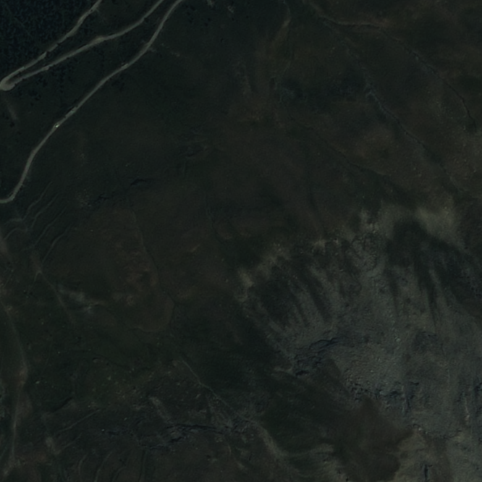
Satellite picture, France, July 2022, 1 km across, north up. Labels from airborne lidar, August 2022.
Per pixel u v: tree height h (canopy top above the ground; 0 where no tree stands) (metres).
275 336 0
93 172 0
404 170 0
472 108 0
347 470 0
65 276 0
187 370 0
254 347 0
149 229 0
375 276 0
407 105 0
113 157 0
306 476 0
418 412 0
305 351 0
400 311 0
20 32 24
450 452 0
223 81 0
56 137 0
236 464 0
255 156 0
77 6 9
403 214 0
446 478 0
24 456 0
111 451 0
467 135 0
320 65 0
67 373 0
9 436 0
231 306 0
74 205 0
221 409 0
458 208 0
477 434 0
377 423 0
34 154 0
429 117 0
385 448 0
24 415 0
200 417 0
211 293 0
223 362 0
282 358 0
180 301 0
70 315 0
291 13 0
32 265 0
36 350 0
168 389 0
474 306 0
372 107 0
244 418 0
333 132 0
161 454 0
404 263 0
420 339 0
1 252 0
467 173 0
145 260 0
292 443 0
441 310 0
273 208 0
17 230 0
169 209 0
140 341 0
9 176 0
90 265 0
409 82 0
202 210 0
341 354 0
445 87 0
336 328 0
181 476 0
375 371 0
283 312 0
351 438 0
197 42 0
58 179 0
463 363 0
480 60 0
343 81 0
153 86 0
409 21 0
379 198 0
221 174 0
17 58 10
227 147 0
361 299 0
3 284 0
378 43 0
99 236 0
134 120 0
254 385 0
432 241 0
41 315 0
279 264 0
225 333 0
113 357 0
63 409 0
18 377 0
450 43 0
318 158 0
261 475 0
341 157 0
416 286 0
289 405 0
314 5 0
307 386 0
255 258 0
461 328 0
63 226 0
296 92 0
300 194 0
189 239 0
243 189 0
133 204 0
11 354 0
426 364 0
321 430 0
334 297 0
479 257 0
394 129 0
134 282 0
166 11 0
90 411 0
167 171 0
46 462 0
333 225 0
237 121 0
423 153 0
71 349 0
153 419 0
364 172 0
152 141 0
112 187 0
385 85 0
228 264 0
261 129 0
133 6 0
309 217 0
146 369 0
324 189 0
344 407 0
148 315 0
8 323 0
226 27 0
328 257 0
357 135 0
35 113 0
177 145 0
